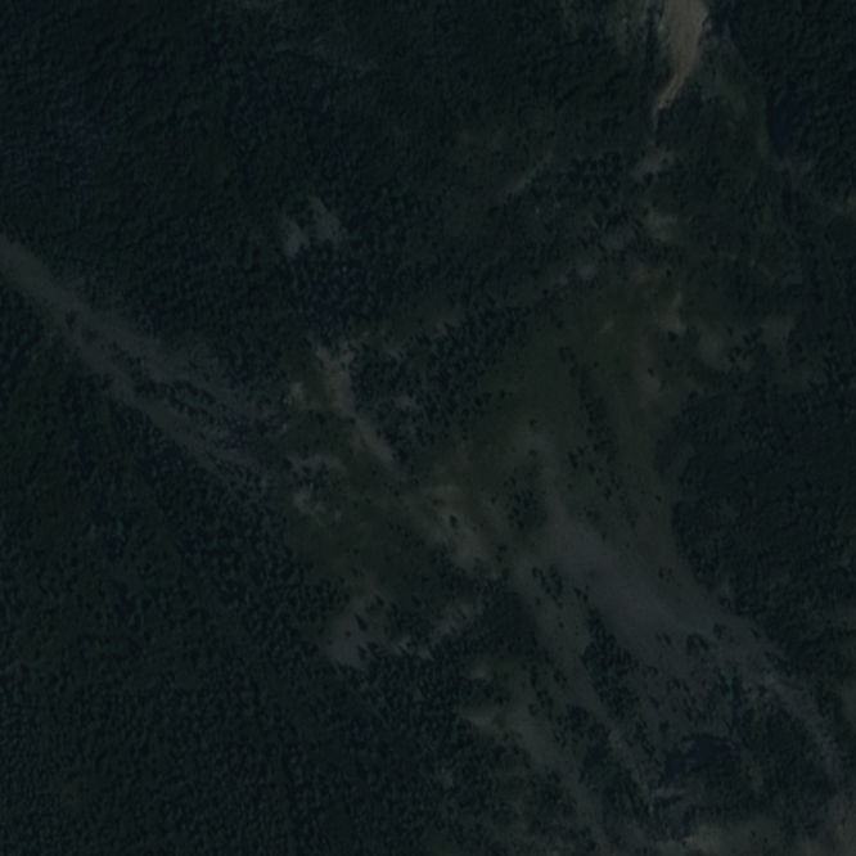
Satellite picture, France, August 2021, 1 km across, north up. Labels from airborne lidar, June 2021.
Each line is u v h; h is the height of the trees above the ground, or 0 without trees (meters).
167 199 13
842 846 0
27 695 7
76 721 11
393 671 8
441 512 0
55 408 7
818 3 17
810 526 7
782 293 6
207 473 15
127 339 0
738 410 0
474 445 0
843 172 12
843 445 7
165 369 0
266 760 6
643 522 0
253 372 12
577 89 14
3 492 14
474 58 6
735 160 6
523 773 0
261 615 12
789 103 12
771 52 17
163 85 22
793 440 9
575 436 0
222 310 9
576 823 0
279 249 7
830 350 7
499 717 0
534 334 0
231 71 8
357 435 0
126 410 9
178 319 16
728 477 5
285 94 10
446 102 8
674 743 0
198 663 14
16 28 17
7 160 15
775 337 0
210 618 20
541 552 0
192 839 13
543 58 8
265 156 20
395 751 7
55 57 17
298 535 0
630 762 0
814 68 12
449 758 13
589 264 0
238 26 8
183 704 14
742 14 11
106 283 8
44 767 9
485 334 7
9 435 14
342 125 10
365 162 11
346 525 0
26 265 0
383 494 0
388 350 0
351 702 6
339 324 7
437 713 9
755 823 0
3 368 11
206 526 7
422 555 0
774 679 0
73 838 6
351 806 10
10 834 18
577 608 0
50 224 15
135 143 13
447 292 0
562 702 0
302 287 15
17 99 22
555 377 0
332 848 7
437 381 10
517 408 0
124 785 15
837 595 7
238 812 13
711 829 0
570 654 0
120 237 15
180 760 13
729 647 0
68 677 17
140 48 11
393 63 6
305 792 18
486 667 0
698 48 0
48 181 17
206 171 18
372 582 0
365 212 6
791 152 8
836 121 10
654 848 0
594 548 0
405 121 7
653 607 0
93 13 21
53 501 14
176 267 7
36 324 9
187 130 14
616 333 0
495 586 13
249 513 9
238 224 7
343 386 0
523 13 7
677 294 0
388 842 9
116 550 13
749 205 11
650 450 0
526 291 0
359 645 0
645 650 0
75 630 0
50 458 13
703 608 0
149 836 19
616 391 0
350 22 6
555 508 0
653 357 0
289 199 10
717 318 0
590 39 15
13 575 15
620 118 6
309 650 12
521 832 0
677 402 0
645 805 9
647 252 7
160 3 8
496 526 0
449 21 7
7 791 16
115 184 20
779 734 6
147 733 8
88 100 13
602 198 0
